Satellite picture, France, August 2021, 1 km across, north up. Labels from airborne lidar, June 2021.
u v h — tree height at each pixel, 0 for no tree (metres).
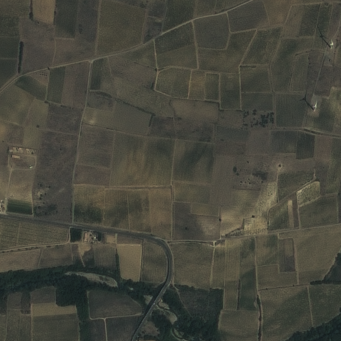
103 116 0
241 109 0
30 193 0
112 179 0
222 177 0
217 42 0
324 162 0
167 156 0
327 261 0
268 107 0
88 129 0
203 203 0
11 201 0
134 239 0
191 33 0
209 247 0
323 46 0
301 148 0
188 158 0
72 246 0
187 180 0
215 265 0
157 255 0
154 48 0
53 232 0
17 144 0
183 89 0
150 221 0
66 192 0
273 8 0
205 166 0
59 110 0
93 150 0
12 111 0
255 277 0
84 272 0
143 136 0
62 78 0
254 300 0
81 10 0
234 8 0
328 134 0
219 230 0
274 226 0
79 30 0
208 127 0
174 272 0
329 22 0
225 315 0
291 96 0
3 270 0
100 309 0
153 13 0
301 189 0
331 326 7
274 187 0
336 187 0
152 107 0
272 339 0
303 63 0
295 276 0
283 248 0
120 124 0
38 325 0
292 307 0
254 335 0
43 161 0
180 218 0
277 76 0
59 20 0
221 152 0
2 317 0
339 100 0
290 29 0
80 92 0
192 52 0
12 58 0
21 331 0
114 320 0
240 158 0
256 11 0
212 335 12
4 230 0
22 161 0
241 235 0
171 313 0
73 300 16
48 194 0
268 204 0
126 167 0
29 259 0
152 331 0
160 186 0
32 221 0
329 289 0
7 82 0
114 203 0
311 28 0
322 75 0
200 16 0
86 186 0
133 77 0
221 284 0
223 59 0
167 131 0
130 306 0
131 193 0
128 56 0
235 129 0
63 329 0
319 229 0
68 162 0
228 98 0
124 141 0
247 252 0
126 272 0
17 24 0
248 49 0
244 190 0
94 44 0
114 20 0
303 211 0
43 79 0
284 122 0
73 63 0
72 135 0
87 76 0
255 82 0
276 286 0
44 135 0
